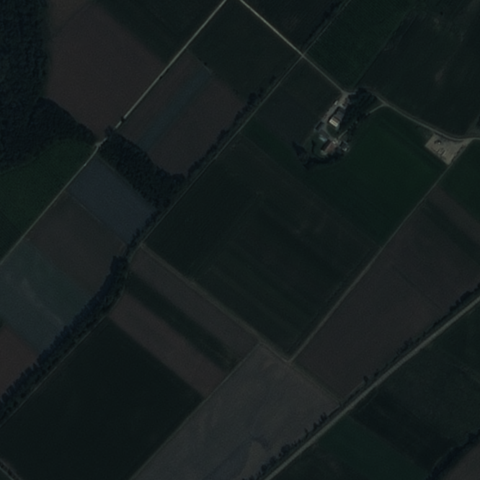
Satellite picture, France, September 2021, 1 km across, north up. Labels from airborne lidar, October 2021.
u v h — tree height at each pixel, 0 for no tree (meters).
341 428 0
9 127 24
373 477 0
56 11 0
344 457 0
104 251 0
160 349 0
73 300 0
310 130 0
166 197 7
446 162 0
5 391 0
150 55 0
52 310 0
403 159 0
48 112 23
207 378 0
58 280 0
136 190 14
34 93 24
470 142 0
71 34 0
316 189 0
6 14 28
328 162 14
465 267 0
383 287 0
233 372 0
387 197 0
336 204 0
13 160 14
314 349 0
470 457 0
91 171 0
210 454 0
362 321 0
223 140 12
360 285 0
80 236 0
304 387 0
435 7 0
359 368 0
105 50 0
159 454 0
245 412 0
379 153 0
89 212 0
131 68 0
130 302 0
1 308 0
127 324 0
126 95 0
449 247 0
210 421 0
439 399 0
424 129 0
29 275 0
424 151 0
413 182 0
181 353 0
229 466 0
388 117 0
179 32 0
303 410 0
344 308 0
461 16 0
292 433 0
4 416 18
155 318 0
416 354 0
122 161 13
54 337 0
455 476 0
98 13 0
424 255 0
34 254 0
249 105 11
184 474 0
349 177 0
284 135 0
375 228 0
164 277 0
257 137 0
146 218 0
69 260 0
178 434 0
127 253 12
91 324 16
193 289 0
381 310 0
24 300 0
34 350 0
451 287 0
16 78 26
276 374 0
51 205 0
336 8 14
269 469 12
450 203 0
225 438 0
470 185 0
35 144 22
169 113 0
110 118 0
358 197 0
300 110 0
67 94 0
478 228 0
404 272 0
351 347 0
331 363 0
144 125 0
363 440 0
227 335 0
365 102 14
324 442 0
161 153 0
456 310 9
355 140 0
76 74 0
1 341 0
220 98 0
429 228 0
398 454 0
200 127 0
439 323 6
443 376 0
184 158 0
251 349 0
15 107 22
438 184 0
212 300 0
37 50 15
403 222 0
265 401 0
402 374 0
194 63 0
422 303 0
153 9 0
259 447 0
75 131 21
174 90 0
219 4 0
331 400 0
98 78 0
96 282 0
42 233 0
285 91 0
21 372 0
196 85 0
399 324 0
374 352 0
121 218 0
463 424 0
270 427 0
